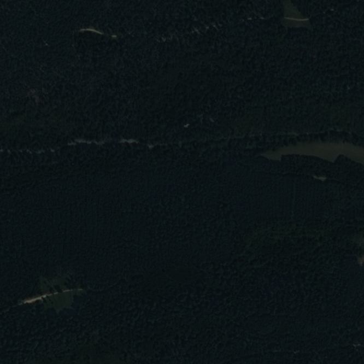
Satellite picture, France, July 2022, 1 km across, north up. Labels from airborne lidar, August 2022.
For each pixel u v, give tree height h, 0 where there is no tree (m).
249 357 21
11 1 32
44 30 36
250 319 23
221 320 24
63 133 20
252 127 23
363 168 16
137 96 25
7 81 29
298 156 14
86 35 16
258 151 24
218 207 26
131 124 22
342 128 13
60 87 31
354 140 19
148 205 26
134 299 10
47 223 20
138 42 27
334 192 23
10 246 23
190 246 20
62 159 11
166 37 25
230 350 19
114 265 23
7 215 22
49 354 6
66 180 20
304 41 19
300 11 16
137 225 25
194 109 21
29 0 31
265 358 17
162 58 24
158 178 26
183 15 14
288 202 25
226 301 29
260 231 14
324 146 0
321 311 21
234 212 24
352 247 20
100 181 24
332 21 25
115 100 31
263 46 28
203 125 15
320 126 18
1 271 21
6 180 19
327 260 19
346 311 16
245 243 12
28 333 13
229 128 19
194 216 20
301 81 22
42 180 16
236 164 28
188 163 25
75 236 19
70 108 22
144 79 11
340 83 33
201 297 31
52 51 29
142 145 16
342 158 14
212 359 27
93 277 23
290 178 24
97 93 29
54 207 19
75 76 25
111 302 29
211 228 28
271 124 20
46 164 11
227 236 32
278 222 13
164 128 12
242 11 14
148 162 20
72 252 17
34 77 29
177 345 30
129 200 23
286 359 20
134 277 16
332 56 20
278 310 26
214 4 13
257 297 19
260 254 17
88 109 39
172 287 10
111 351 31
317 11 6
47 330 14
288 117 28
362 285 31
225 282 26
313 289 19
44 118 13
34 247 19
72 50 31
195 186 23
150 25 30
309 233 16
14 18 32
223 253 29
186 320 23
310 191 22
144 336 26
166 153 22
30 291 18
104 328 30
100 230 18
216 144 22
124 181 21
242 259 24
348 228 14
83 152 34
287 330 18
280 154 0
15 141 20
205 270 20
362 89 26
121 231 18
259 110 21
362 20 19
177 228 23
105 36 15
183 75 23
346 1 13
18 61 37
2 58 31
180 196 19
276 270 13
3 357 27
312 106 21
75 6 35
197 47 24
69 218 18
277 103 21
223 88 30
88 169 18
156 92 22
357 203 20
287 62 33
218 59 29
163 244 23
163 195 33
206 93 29
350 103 19
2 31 31
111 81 7
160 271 6
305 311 19
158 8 31
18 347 25
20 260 24
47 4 28
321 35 21
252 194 26
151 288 6
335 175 17
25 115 18
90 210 19
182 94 18
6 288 23
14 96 27
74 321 30
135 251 21
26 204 18
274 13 14
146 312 15
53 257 17
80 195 19
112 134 34
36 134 20
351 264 27
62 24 30
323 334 23
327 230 16
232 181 29
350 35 16
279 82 20
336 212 23
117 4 25
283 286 11
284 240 11
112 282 22
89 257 23
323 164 16
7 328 21
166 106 29
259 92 14
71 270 22
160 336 31
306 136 23
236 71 31
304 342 28
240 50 30
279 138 33
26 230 19
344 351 21
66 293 0
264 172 24
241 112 16
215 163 21
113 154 26
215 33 15
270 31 24
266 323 20
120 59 25
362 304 26
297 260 17
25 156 17
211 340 23
